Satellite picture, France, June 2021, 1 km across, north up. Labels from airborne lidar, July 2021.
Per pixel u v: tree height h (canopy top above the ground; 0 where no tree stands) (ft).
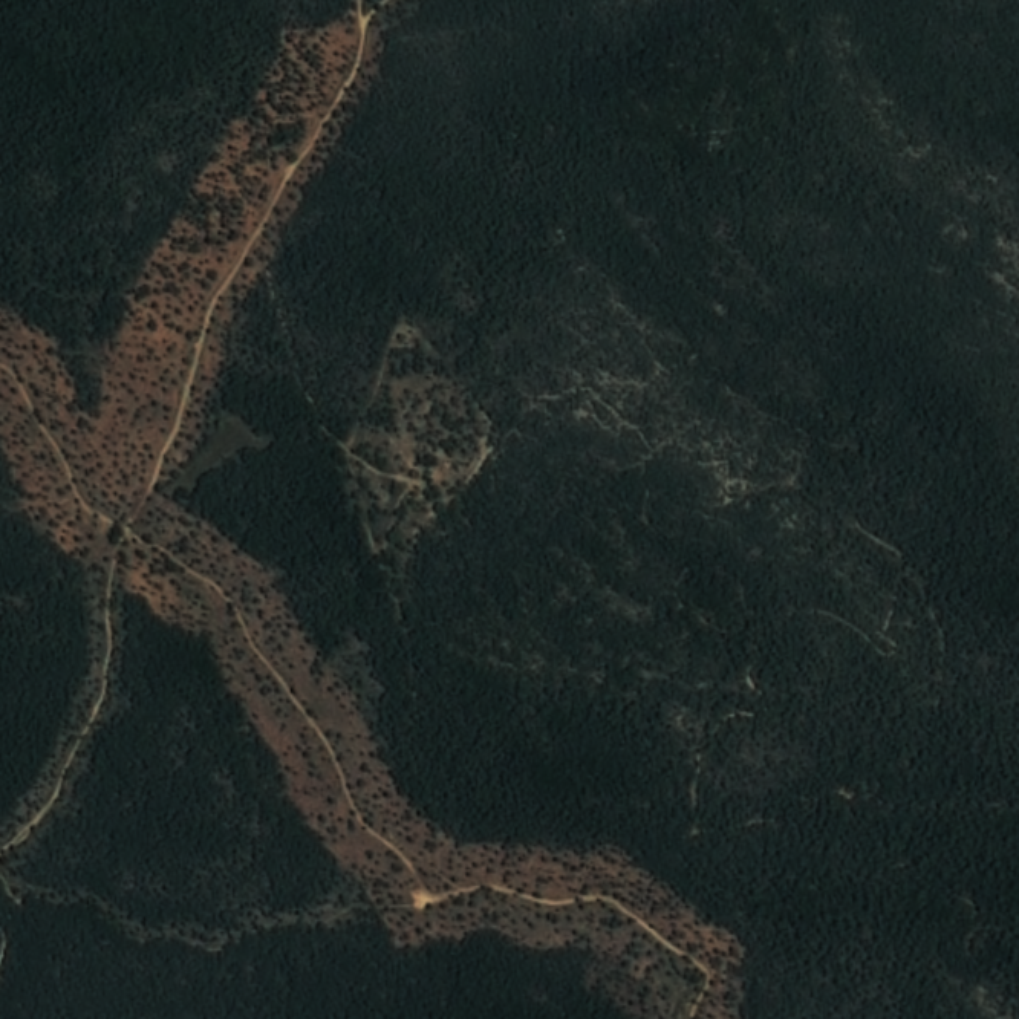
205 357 0
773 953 36
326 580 43
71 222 37
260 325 27
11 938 20
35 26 29
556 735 26
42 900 35
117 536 36
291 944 35
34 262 23
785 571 19
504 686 31
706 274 23
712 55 24
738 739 31
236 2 26
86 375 22
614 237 30
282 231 22
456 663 42
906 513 31
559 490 23
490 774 36
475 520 24
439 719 35
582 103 46
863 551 21
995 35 22
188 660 39
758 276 21
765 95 29
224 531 43
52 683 29
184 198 26
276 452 43
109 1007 22
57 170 22
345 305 33
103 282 37
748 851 31
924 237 26
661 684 21
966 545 36
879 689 33
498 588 26
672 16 21
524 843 50
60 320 21
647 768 48
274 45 44
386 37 19
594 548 24
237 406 47
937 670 37
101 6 35
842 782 33
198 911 24
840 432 35
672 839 34
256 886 36
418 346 22
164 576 31
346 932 25
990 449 33
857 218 25
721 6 21
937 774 28
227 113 34
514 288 18
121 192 37
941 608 42
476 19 17
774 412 23
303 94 41
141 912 27
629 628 23
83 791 31
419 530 18
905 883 35
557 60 26
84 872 29
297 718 0
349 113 25
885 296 23
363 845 0
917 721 20
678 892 35
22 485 36
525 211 28
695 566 23
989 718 31
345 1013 35
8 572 29
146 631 33
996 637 27
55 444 0
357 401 41
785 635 30
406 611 20
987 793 38
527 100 31
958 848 43
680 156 32
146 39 24
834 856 24
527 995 34
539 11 33
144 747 48
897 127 28
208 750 45
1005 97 23
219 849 30
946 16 20
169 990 21
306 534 33
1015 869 44
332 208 20
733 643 29
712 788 32
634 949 34
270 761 32
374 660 40
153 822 34
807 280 26
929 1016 42
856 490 24
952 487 33
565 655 18
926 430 31
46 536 22
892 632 22
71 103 26
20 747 33
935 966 49
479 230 42
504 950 39
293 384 50
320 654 31
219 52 45
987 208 31
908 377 24
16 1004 36
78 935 33
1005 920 36
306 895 33
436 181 26
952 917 27
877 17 21
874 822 29
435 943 24
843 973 47
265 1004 33
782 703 35
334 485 43
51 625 36
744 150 24
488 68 26
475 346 31
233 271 0
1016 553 39
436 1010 30
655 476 19
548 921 28
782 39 25
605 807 33
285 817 37
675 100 26
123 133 29
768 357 24
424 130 22
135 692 42
